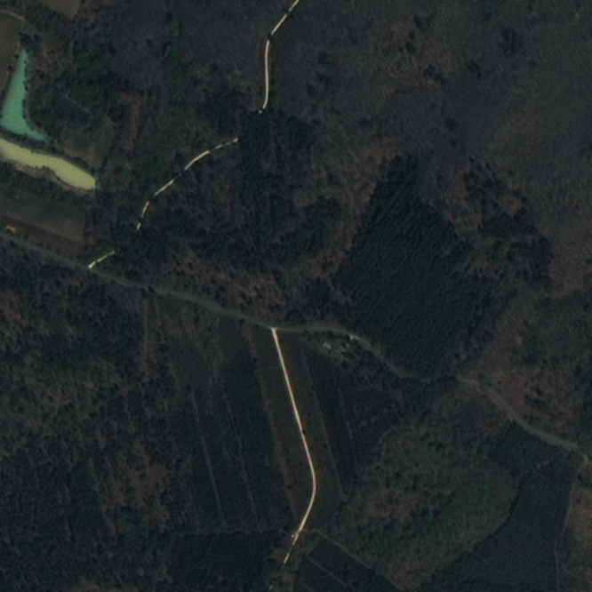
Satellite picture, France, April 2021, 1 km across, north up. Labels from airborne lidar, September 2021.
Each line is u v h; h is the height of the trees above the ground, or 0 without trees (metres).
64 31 11
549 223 11
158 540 17
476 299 23
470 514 20
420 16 8
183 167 21
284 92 10
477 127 10
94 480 15
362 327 20
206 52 15
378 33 9
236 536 10
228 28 17
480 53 15
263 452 9
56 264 10
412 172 21
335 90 15
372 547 14
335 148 16
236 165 16
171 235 21
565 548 9
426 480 15
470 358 12
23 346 17
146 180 12
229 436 7
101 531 20
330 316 16
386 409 8
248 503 11
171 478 9
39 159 0
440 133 10
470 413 7
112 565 20
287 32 12
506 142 11
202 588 13
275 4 17
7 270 15
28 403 23
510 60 21
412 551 17
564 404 7
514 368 21
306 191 15
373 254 20
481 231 13
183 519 12
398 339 17
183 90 16
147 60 11
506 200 12
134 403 8
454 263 12
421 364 18
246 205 17
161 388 11
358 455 11
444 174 11
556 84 13
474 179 13
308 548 12
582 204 14
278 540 7
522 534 11
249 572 12
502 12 18
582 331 7
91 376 14
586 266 11
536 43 15
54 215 0
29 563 17
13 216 0
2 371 16
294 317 14
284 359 0
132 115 14
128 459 9
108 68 10
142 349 9
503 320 18
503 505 11
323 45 16
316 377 7
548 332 22
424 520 14
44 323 16
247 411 9
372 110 15
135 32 13
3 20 0
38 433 10
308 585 8
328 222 15
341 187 20
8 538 7
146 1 16
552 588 12
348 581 19
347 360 12
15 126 0
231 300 9
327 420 10
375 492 17
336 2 11
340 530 15
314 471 0
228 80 15
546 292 23
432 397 19
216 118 23
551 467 9
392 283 18
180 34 17
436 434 17
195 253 19
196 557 13
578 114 17
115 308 19
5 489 10
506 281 14
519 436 11
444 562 15
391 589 21
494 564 9
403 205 19
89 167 12
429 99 12
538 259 21
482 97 10
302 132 15
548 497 9
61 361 18
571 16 17
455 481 20
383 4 12
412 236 16
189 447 8
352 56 18
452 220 6
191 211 10
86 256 10
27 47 15
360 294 17
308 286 7
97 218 17
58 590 21
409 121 15
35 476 11
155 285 8
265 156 23
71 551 19
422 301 16
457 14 18
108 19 13
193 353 9
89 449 9
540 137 11
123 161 14
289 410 0
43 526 10
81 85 15
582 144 12
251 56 17
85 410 15
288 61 12
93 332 14
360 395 8
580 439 14
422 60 12
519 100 11
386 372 21
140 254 18
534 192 10
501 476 14
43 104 18
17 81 0
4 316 15
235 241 16
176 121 18
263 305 10
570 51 17
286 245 19
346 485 8
